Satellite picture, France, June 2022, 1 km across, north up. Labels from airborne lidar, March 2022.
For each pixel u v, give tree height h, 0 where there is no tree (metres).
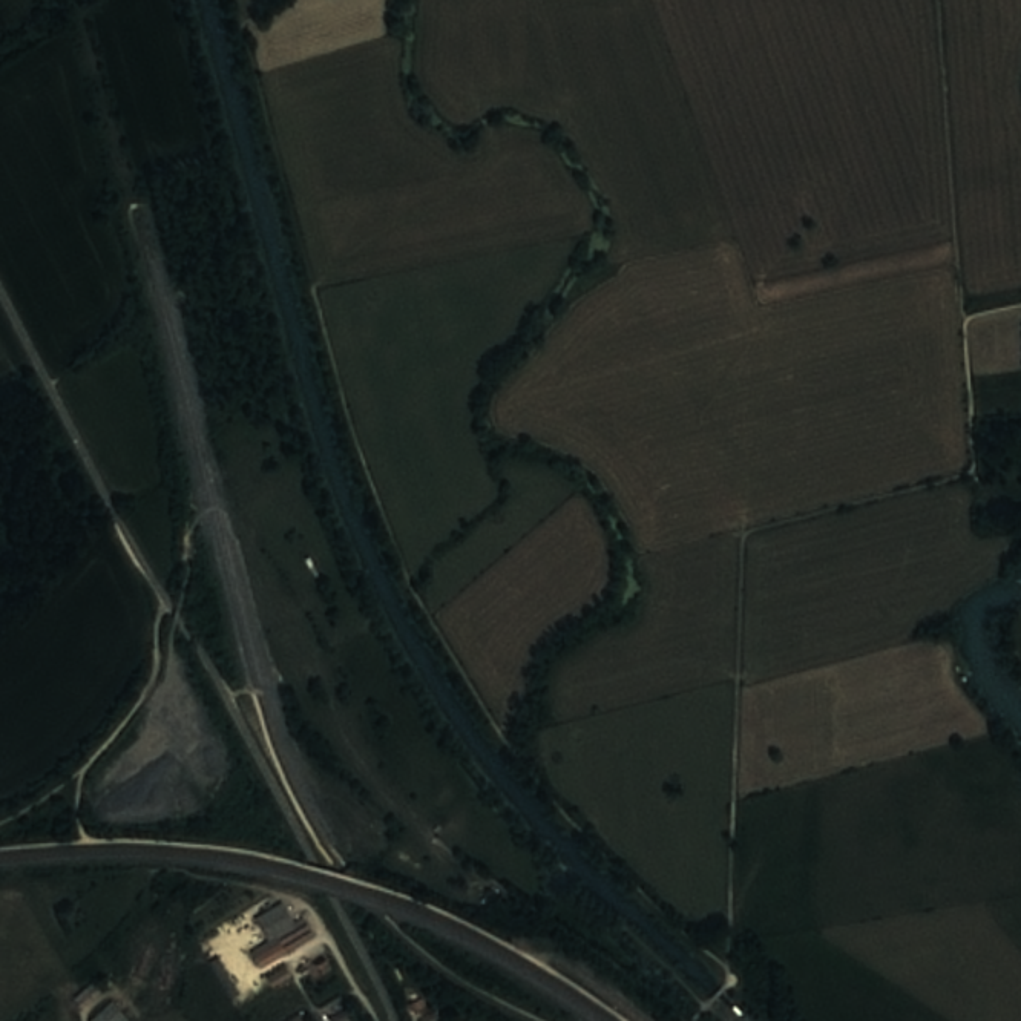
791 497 0
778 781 0
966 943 0
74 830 9
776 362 0
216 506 0
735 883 0
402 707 0
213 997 0
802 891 0
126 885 0
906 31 0
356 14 0
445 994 17
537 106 0
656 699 0
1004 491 0
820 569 0
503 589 0
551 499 0
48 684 0
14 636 0
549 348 0
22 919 0
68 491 31
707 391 0
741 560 0
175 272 11
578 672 0
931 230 0
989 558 0
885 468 0
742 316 0
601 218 8
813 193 0
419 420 0
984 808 0
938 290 0
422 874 0
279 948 0
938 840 0
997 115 0
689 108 0
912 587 0
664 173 0
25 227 0
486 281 0
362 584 27
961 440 0
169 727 0
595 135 0
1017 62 0
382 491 0
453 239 0
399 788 0
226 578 0
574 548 0
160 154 0
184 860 0
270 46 0
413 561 0
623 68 0
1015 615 15
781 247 0
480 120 0
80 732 0
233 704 0
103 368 0
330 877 0
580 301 0
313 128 0
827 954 0
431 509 0
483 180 0
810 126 0
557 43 0
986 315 0
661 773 0
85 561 0
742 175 0
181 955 0
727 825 0
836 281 0
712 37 0
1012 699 0
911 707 0
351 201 0
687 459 0
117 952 0
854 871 0
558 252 0
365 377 0
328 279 0
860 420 0
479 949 0
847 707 0
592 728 0
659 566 0
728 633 0
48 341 0
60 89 0
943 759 0
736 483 0
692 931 17
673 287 0
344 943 0
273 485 0
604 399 0
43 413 28
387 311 0
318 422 0
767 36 0
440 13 0
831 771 0
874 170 0
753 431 0
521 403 0
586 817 0
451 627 0
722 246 0
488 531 0
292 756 0
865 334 0
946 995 0
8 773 0
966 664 0
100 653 0
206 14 0
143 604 0
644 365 0
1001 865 0
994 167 0
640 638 0
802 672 0
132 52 0
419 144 0
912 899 0
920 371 0
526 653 0
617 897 0
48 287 0
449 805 0
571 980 0
